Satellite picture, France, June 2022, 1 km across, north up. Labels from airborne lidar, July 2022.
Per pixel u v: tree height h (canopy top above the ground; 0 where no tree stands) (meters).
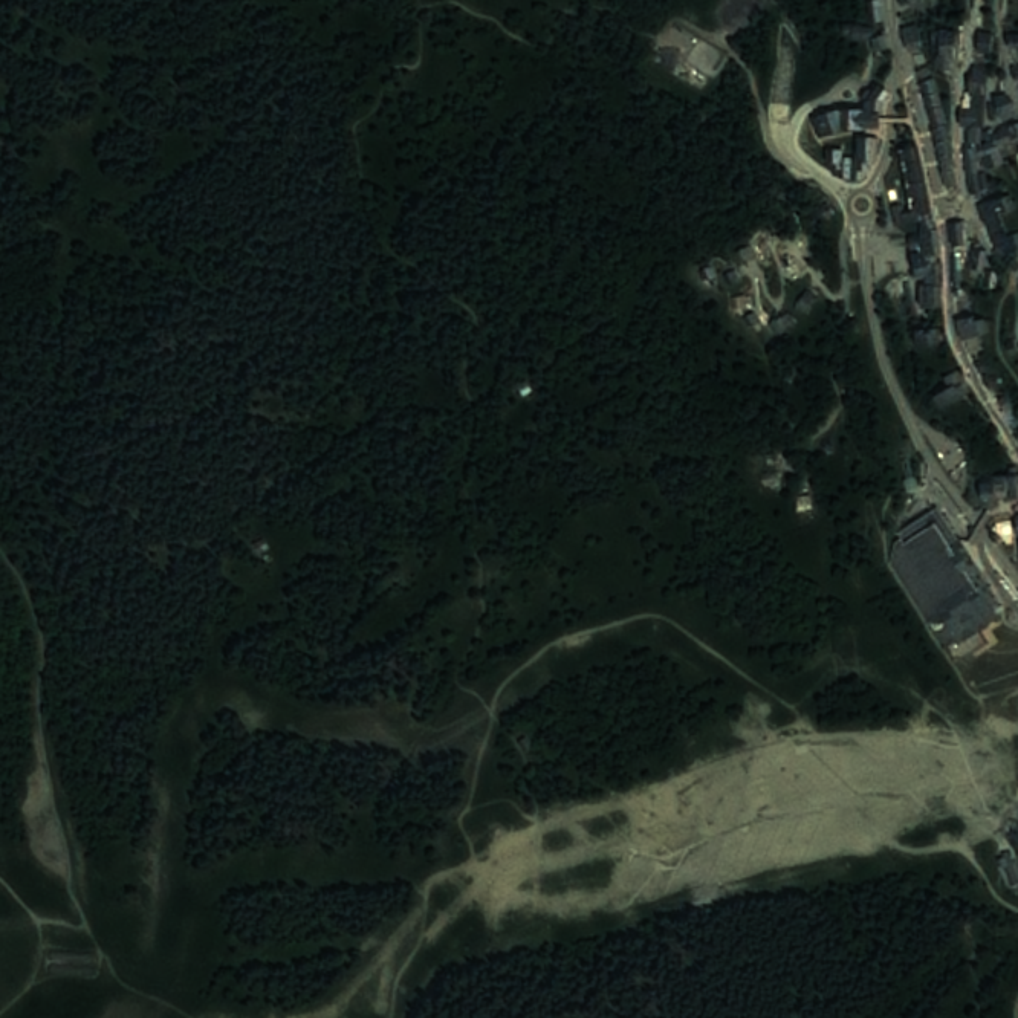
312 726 0
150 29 13
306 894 23
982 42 0
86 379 22
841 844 0
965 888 16
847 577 14
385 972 0
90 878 0
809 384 15
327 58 9
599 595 0
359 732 0
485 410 17
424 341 11
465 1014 28
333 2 9
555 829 0
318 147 35
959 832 0
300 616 15
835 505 16
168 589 27
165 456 27
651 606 0
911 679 0
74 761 8
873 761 0
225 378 21
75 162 0
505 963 25
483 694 0
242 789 24
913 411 0
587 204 20
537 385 11
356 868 0
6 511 15
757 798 0
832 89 0
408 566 0
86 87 16
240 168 24
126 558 26
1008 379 9
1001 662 0
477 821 0
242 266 24
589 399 0
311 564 15
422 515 11
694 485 20
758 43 18
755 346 0
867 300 0
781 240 12
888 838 0
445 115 12
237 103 20
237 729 29
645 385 13
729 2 0
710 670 0
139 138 11
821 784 0
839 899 20
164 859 0
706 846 0
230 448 26
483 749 0
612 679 11
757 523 16
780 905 25
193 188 23
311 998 16
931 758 0
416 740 0
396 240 13
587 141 14
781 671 16
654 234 12
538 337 12
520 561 8
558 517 8
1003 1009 6
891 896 10
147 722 22
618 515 0
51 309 15
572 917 0
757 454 11
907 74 0
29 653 15
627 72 13
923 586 0
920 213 0
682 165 18
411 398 11
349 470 20
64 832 0
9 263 16
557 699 14
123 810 15
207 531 26
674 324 16
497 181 21
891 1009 10
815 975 29
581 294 12
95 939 0
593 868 0
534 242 14
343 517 22
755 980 27
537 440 22
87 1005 0
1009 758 0
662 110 19
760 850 0
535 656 0
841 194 0
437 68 0
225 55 17
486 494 11
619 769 18
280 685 11
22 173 24
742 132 21
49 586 16
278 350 31
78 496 12
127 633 24
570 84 18
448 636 17
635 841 0
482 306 14
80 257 18
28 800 0
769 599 15
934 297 0
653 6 16
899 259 0
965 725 0
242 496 27
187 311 26
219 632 8
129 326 12
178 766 0
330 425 10
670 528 0
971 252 0
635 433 11
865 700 18
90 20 26
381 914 11
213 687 0
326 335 29
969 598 0
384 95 0
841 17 11
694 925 31
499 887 0
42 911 0
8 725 11
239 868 0
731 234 16
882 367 0
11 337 16
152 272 17
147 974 0
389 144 0
